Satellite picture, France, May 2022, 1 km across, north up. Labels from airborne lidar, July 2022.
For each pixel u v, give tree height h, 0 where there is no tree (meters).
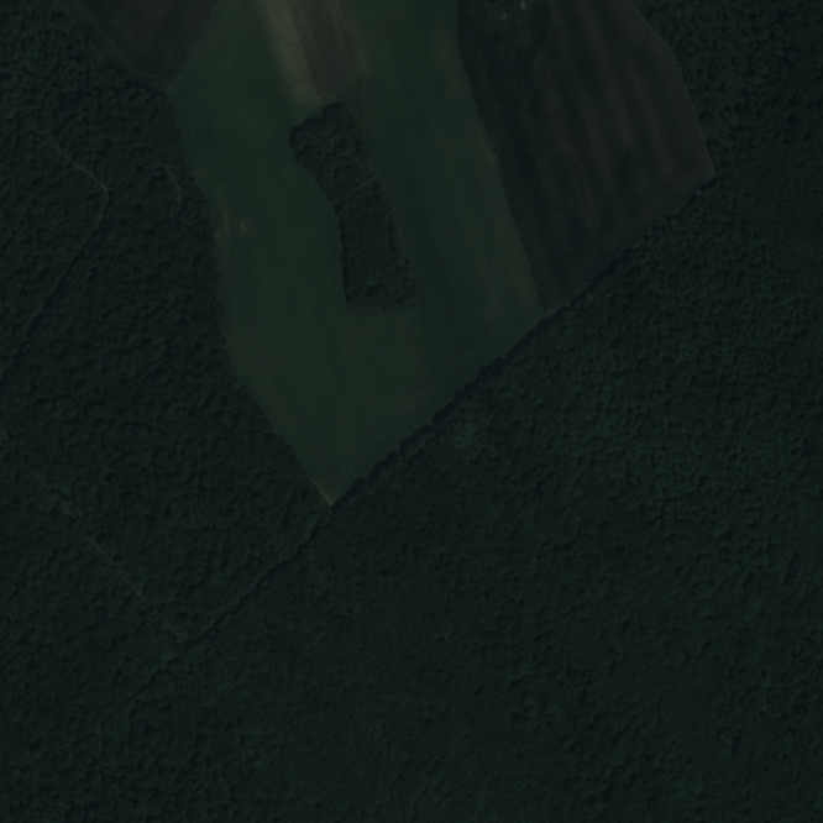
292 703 15
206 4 0
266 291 0
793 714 29
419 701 20
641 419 18
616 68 0
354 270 18
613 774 23
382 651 18
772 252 13
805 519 16
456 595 25
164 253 20
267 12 0
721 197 13
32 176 19
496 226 0
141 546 16
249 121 0
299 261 0
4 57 14
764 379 18
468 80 0
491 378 26
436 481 31
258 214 0
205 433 16
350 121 18
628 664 22
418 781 19
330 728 18
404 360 0
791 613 25
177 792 20
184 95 0
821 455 24
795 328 15
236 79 0
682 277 13
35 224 20
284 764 20
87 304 14
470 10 0
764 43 20
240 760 19
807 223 16
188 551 17
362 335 0
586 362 15
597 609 22
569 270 0
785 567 12
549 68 0
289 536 15
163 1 0
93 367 21
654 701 20
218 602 24
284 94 0
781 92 21
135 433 25
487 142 0
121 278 17
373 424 0
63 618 21
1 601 21
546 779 21
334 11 0
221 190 0
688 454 18
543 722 19
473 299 0
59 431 15
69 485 13
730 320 14
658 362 18
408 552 24
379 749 20
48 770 22
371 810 20
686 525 25
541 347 19
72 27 12
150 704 23
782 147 17
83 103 21
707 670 20
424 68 0
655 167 0
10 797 20
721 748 21
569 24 0
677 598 22
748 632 27
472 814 18
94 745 21
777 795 20
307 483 17
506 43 0
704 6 12
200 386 23
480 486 27
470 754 18
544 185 0
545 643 27
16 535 22
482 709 22
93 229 18
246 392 15
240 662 16
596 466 21
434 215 0
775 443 16
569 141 0
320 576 14
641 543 21
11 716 24
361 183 22
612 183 0
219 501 24
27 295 17
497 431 28
